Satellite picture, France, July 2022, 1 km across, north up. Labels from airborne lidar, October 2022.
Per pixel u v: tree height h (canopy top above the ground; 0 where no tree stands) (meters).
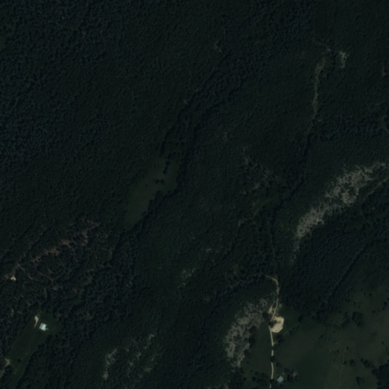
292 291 20
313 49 22
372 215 20
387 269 6
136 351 10
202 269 7
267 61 24
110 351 8
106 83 18
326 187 13
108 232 30
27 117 20
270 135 21
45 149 28
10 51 11
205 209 16
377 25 16
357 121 20
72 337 10
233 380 15
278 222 18
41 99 19
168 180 0
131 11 26
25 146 25
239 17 30
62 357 15
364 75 16
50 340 26
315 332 0
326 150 16
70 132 21
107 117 20
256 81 18
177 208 18
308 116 18
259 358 0
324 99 16
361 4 18
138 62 19
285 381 7
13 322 15
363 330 0
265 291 13
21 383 15
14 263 23
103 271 31
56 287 14
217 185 15
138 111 25
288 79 21
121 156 26
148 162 21
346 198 0
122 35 25
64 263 29
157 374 18
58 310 24
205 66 24
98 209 34
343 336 0
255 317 0
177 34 22
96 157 29
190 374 29
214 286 22
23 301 25
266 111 18
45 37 31
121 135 26
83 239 29
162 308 9
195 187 21
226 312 18
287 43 22
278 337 9
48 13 19
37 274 29
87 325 27
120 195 18
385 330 0
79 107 23
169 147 19
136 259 30
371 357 0
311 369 0
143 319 18
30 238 15
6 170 8
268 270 17
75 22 23
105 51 12
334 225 19
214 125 16
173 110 25
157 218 21
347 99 16
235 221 15
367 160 16
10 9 22
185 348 22
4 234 18
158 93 25
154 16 24
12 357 0
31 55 18
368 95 23
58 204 25
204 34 31
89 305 29
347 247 21
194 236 10
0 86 22
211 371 23
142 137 24
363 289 7
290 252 18
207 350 21
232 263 18
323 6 16
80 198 28
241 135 16
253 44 28
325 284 23
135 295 20
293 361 0
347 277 23
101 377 8
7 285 28
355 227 9
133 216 0
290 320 0
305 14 34
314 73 10
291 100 18
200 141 22
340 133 19
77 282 25
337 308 14
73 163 22
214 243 10
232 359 8
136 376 11
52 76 18
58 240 26
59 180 15
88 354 13
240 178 16
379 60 19
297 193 15
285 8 15
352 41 14
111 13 24
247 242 21
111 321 23
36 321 0
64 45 27
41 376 26
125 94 19
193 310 22
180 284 10
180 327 21
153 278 17
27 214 21
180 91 24
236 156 16
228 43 28
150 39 19
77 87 23
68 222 30
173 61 26
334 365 0
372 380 0
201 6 21
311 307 26
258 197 9
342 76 18
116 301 29
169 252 10
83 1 17
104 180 27
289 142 16
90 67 20
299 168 12
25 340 0
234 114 16
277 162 22
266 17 24
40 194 18
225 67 22
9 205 9
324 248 28
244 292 18
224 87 21
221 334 16
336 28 17
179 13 21
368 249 21
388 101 25
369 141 24
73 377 20
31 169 21
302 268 23
